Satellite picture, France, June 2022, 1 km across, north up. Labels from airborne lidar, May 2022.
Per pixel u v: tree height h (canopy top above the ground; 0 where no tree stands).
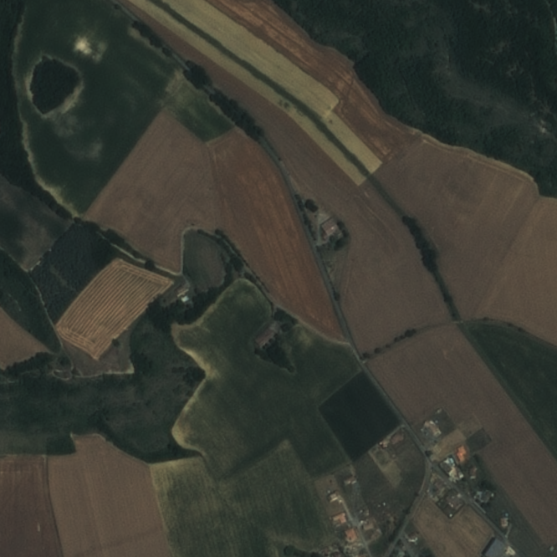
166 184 0
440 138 14
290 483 0
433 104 12
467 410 0
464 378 0
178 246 0
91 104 0
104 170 0
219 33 0
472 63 13
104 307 0
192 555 0
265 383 0
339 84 0
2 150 16
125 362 0
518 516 0
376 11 11
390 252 0
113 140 0
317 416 0
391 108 9
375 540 0
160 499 0
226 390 0
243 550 0
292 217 0
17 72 0
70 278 12
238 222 0
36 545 0
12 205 0
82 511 0
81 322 0
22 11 17
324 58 0
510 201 0
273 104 0
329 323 0
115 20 0
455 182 0
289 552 12
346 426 0
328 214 0
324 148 0
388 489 0
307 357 0
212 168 0
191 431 0
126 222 0
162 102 0
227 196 0
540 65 10
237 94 0
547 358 0
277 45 0
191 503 0
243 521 0
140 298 0
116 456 0
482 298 0
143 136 0
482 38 12
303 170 0
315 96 0
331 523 0
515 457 0
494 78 12
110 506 0
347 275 0
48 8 0
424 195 0
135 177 0
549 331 0
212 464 0
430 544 0
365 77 18
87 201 0
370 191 0
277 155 0
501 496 0
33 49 0
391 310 0
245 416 0
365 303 0
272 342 11
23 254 0
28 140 0
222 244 10
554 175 11
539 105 7
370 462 0
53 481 0
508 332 0
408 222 19
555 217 0
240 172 0
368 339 0
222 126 0
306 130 0
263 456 0
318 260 0
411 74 12
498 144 8
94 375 0
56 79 17
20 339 0
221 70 0
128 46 0
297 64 0
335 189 0
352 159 0
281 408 0
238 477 0
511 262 0
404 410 0
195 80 18
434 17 8
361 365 0
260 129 15
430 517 0
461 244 0
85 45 0
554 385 0
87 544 0
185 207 0
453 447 0
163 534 0
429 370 0
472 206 0
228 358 0
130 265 0
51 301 9
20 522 0
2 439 0
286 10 10
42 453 0
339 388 0
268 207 0
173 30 0
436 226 0
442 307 0
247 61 0
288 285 0
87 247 17
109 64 0
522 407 0
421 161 0
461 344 0
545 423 0
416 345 0
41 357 15
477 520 0
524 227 0
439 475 0
